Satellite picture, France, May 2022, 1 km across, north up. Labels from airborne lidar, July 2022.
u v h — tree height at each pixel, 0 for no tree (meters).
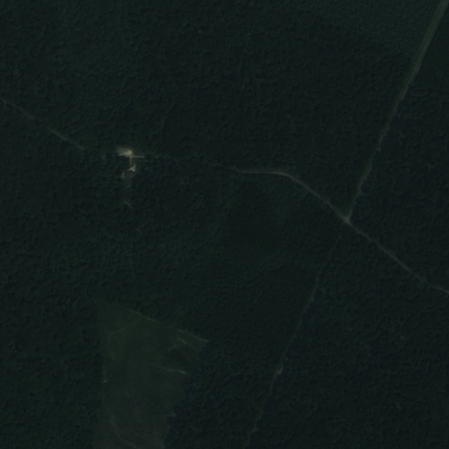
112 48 20
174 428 28
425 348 26
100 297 23
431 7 17
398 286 24
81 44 29
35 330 31
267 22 27
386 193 29
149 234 29
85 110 22
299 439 28
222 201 16
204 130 28
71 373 28
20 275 33
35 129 25
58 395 25
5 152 28
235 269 18
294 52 30
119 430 0
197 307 19
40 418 24
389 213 28
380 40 17
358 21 15
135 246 17
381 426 26
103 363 23
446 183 29
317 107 28
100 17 21
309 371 27
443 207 28
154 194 29
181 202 27
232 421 25
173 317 28
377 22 14
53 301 31
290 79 29
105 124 24
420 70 7
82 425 22
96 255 28
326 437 29
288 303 18
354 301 26
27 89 29
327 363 28
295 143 27
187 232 27
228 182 25
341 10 9
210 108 28
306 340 26
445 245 28
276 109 30
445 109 27
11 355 25
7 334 28
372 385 27
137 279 28
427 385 25
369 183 19
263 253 21
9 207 29
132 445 0
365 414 30
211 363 28
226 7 28
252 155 28
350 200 23
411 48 19
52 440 23
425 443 28
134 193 23
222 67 30
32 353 28
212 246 22
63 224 30
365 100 26
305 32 26
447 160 27
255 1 25
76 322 30
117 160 18
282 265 19
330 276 23
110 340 0
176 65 26
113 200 30
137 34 24
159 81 26
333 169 26
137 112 26
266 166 23
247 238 23
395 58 25
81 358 29
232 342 19
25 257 22
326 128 26
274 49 29
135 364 0
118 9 15
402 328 28
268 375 25
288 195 17
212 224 21
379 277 26
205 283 19
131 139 20
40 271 28
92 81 25
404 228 30
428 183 27
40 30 26
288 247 26
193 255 26
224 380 20
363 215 26
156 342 0
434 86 8
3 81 29
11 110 27
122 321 0
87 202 28
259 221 23
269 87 31
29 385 25
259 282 18
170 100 28
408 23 18
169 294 29
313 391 30
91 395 26
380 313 22
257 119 29
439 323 28
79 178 7
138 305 27
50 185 33
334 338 30
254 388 28
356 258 25
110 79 31
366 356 29
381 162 29
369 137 29
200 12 24
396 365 28
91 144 23
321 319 31
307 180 26
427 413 28
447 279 30
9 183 29
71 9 30
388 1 14
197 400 21
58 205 31
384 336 24
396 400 28
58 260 23
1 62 33
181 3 28
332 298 28
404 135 27
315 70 30
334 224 22
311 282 22
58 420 26
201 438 28
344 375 27
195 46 26
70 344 25
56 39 26
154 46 27
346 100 32
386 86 22
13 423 25
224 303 17
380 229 30
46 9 30
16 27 29
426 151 26
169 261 24
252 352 18
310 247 20
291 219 20
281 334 20
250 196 23
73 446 26
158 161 14
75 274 28
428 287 19
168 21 29
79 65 30
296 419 29
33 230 30
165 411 0
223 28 28
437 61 10
